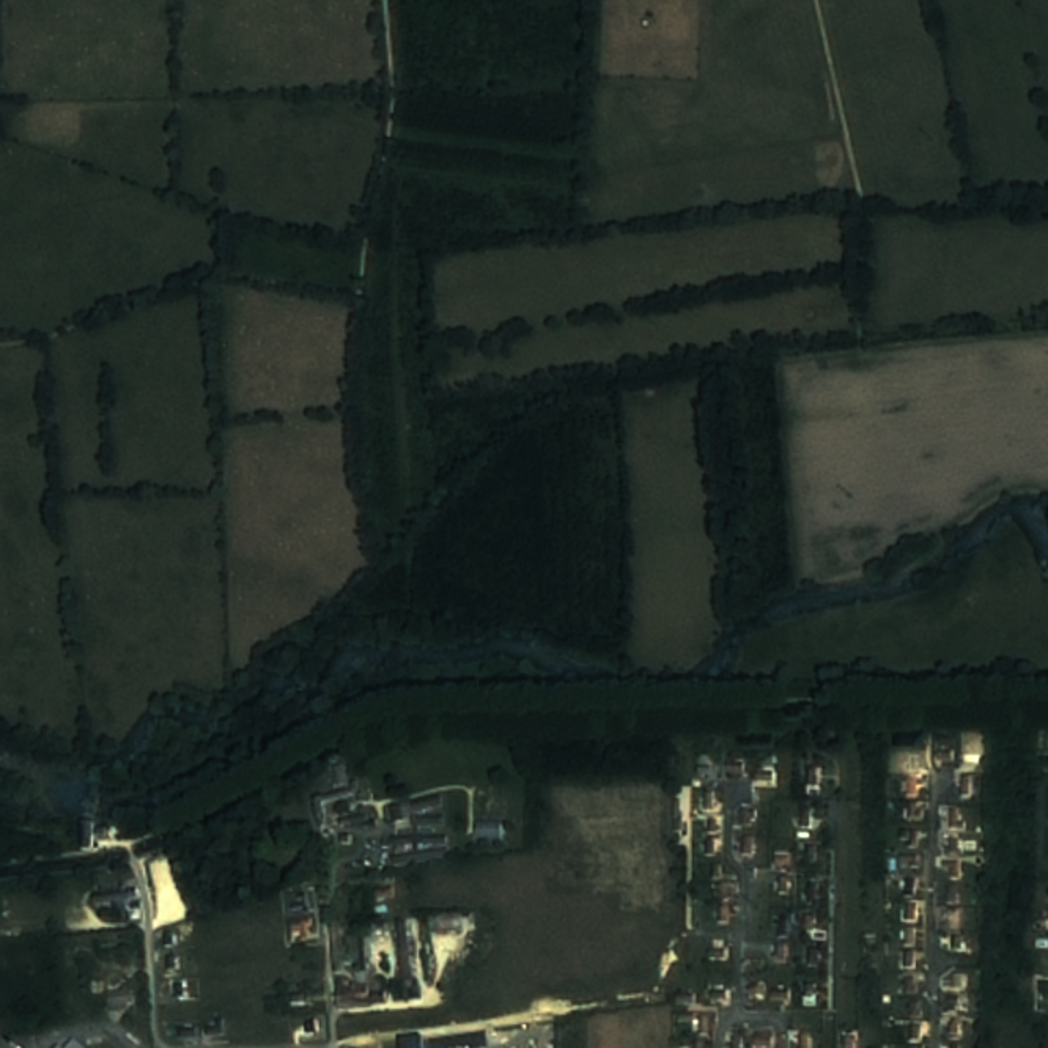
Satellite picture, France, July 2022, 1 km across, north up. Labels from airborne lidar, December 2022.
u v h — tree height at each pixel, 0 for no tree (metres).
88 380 0
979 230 0
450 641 23
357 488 21
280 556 0
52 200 0
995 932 6
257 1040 0
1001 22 0
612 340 0
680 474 0
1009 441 0
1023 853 7
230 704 17
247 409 0
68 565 14
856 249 22
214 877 23
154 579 0
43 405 14
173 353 0
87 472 0
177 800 28
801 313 0
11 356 0
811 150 0
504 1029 0
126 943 12
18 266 0
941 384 0
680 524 0
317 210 0
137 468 0
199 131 0
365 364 21
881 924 0
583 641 14
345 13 0
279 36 0
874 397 0
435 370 12
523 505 9
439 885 0
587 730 30
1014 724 31
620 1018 0
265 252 0
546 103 7
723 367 17
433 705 39
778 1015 0
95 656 0
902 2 0
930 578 15
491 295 0
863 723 34
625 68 0
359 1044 0
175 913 0
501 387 25
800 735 6
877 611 0
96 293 0
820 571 0
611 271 0
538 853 0
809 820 0
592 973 0
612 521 9
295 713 15
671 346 0
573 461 7
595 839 0
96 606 0
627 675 16
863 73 0
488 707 39
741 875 0
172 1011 0
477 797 0
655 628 0
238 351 0
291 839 35
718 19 0
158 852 0
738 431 35
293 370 0
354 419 22
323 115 0
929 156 0
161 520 0
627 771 8
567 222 7
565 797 0
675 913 0
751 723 29
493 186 0
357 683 12
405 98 15
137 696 0
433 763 0
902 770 0
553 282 0
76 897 0
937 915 0
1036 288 0
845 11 0
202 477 0
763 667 0
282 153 0
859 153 0
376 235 10
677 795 9
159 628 0
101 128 0
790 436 0
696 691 33
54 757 10
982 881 11
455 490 22
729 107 0
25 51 0
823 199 15
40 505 0
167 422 0
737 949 0
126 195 0
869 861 6
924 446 0
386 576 11
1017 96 0
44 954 0
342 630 12
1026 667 18
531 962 0
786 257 0
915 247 0
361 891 7
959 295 0
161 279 0
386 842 6
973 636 0
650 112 0
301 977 0
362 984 0
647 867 0
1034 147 0
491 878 0
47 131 0
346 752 25
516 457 12
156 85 0
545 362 0
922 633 0
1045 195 29
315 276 0
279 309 0
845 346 13
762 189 0
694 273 0
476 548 9
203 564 0
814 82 0
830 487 0
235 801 34
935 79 0
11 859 9
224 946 0
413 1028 0
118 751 14
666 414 0
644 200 0
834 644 0
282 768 39
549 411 21
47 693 0
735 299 19
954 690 33
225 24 0
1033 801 13
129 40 0
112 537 0
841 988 0
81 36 0
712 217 21
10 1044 0
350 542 0
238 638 0
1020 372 0
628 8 0
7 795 9
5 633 0
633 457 0
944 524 0
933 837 0
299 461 0
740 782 0
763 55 0
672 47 0
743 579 22
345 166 0
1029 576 0
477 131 8
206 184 0
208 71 0
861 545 0
